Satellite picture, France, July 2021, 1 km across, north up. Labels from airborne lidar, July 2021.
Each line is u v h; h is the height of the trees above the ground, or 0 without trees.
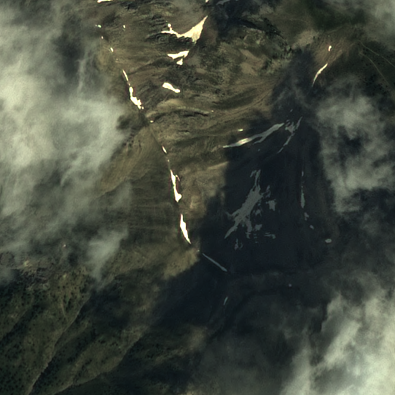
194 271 0
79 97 0
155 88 0
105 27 0
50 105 0
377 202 0
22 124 0
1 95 0
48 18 0
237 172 0
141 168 0
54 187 0
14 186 0
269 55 0
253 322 0
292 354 0
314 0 0
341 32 0
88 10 0
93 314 0
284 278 0
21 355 0
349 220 0
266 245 0
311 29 0
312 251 0
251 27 0
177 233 0
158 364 0
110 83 0
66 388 0
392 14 0
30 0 0
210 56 0
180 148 0
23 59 0
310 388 0
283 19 0
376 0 0
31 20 0
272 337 0
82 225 0
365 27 0
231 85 0
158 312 0
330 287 0
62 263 0
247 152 0
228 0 0
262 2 0
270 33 8
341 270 0
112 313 0
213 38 0
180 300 0
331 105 0
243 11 0
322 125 0
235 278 0
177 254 0
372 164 0
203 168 0
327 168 0
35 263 0
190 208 0
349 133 0
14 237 8
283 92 0
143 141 0
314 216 0
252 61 0
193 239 0
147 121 0
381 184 0
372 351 0
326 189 0
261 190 0
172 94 0
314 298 0
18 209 0
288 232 0
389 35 0
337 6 0
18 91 0
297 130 0
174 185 0
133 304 0
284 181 0
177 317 0
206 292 0
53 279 0
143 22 0
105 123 0
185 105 0
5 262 0
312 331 0
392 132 0
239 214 0
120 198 0
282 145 0
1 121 0
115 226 0
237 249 0
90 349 0
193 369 0
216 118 0
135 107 0
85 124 0
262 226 0
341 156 0
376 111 0
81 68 0
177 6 0
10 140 0
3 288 13
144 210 0
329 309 0
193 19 0
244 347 0
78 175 0
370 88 0
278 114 0
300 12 0
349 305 0
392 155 0
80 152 0
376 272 0
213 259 0
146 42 0
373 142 0
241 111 0
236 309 0
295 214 0
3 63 0
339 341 0
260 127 0
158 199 0
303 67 0
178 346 0
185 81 0
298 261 0
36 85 0
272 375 0
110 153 0
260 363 0
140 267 0
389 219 0
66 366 0
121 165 0
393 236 0
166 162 0
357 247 0
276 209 0
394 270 0
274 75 0
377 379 0
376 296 0
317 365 0
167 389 0
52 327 0
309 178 0
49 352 0
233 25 0
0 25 0
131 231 0
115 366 0
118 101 0
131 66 0
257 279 0
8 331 0
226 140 0
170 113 0
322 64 0
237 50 0
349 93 0
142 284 0
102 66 0
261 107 0
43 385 8
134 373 0
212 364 0
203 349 0
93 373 0
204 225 0
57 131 0
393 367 0
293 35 0
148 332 0
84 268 0
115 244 0
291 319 0
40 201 0
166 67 0
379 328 0
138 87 0
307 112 0
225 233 0
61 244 0
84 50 0
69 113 0
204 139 0
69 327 0
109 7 0
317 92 0
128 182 0
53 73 0
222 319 0
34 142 0
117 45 0
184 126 0
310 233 0
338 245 0
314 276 0
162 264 0
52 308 0
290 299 0
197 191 0
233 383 0
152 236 0
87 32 0
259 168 0
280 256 0
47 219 0
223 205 0
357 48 0
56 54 0
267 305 0
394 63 0
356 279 0
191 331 0
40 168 0
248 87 0
